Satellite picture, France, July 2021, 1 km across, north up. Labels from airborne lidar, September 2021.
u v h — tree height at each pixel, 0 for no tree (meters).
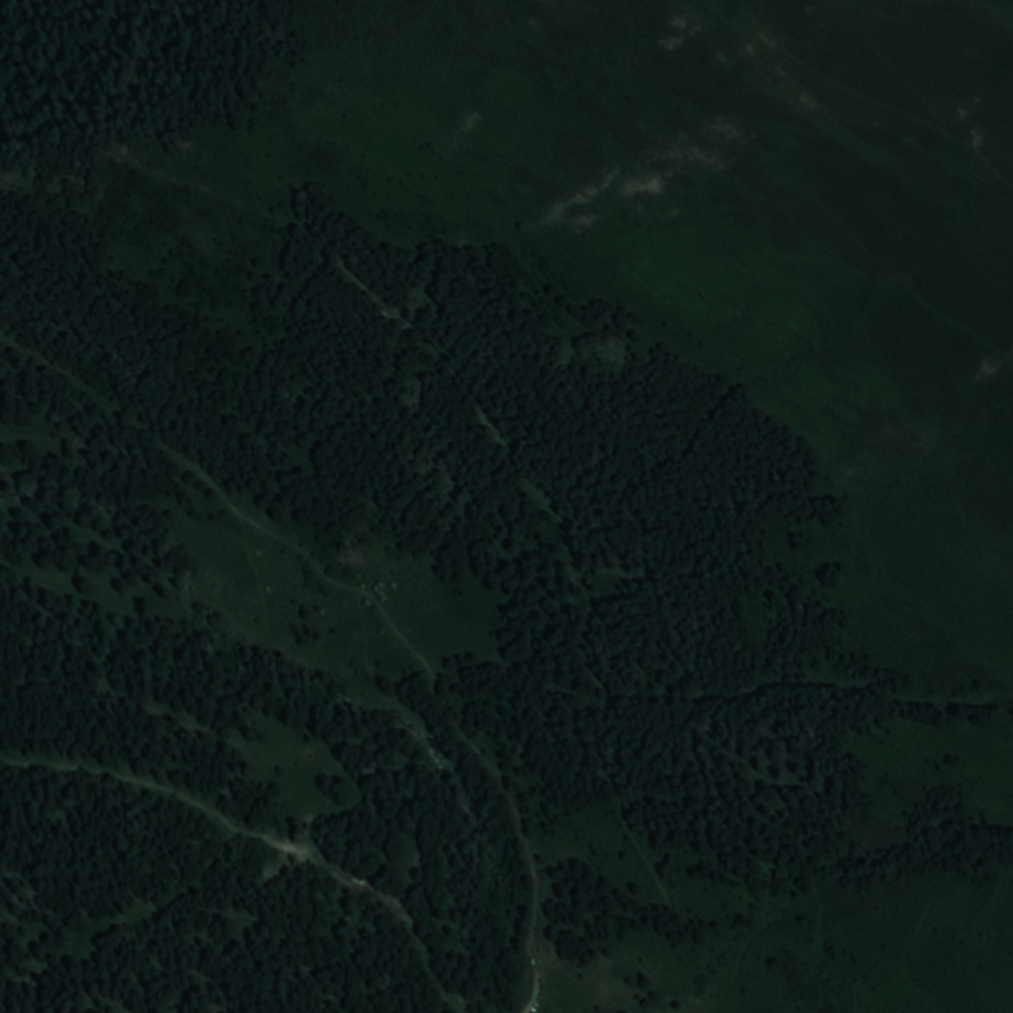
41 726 23
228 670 9
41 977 24
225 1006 34
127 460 20
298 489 23
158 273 10
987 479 0
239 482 18
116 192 9
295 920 20
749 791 25
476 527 22
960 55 0
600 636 22
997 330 0
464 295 26
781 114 0
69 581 0
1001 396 0
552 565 24
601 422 28
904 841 8
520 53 0
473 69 0
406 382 8
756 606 0
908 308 0
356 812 9
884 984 0
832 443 0
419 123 0
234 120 16
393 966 27
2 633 18
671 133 0
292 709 16
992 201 0
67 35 30
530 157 0
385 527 8
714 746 18
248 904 30
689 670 21
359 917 7
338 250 27
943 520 0
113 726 32
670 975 0
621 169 0
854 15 0
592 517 24
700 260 0
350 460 19
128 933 19
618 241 0
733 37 0
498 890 11
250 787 34
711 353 0
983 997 0
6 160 22
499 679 19
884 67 0
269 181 0
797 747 33
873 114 0
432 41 0
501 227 0
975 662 0
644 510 28
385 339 25
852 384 0
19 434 0
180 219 6
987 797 0
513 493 26
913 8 0
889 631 0
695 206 0
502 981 13
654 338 0
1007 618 0
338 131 0
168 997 31
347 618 0
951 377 0
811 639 19
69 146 23
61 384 32
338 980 30
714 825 23
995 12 0
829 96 0
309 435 29
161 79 34
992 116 0
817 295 0
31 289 34
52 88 24
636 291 0
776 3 0
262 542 0
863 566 0
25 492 13
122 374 26
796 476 23
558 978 0
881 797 0
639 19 0
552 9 0
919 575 0
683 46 0
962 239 0
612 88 0
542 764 21
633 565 27
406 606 0
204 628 6
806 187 0
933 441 0
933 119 0
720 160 0
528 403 31
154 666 16
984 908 0
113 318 26
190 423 25
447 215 0
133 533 24
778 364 0
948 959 0
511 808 11
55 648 17
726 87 0
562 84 0
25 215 28
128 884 22
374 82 0
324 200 25
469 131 0
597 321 18
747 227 0
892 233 0
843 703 21
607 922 8
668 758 26
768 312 0
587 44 0
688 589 21
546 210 0
